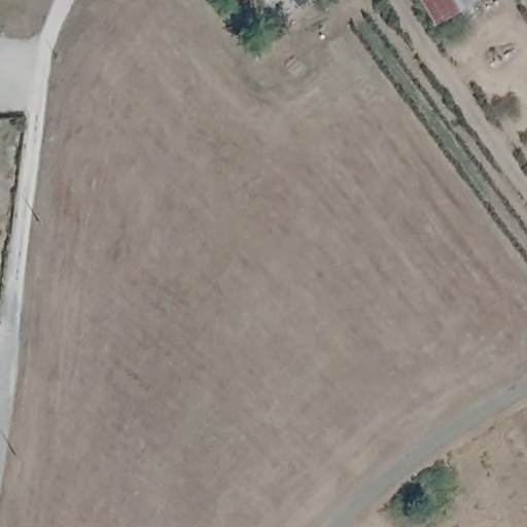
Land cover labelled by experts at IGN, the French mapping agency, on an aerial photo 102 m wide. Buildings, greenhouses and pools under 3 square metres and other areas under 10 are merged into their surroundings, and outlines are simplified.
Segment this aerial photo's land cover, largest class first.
<instances>
[{"label":"agricultural land","instance_id":"1","mask_svg":"<svg viewBox=\"0 0 527 527\"><path fill-rule=\"evenodd\" d=\"M212 0H74L51 51L45 119L25 272L23 311L19 329V371L14 385L10 434L4 436L0 432V527H327L368 484H373L393 463L403 459V455L418 443L428 438L432 432H438L453 420L461 418L463 414L471 412L473 408L486 403L488 399L504 393L511 385L523 383L527 379V264L515 251L511 241L502 235V231L494 224V220L488 216L486 208L467 187V183L459 177L455 167L447 161V156L441 152L436 142L428 136L426 128L412 113L408 103L397 95L387 76L373 62L371 54L358 41V37L350 31L348 35L338 37L329 43V66L309 80L313 86L305 91V95L286 101L280 111H270L266 105L253 103V99L247 95L245 84L235 74L233 58H229L222 51V47L216 45V39H210L208 21L218 14L210 4ZM486 196V202L494 206V210L508 226V231L527 249V237L523 235L519 224L508 216L500 200L494 196V189L488 185L482 191ZM350 527H393L391 519L389 513H368L360 523H354Z\"/></svg>","mask_w":527,"mask_h":527},{"label":"herbaceous vegetation","instance_id":"2","mask_svg":"<svg viewBox=\"0 0 527 527\"><path fill-rule=\"evenodd\" d=\"M54 0H0V43L4 39L25 41L37 37L43 31ZM264 2V0H239V12L233 14L229 21H224L218 14L208 21L210 39H216V45L222 47V51L229 58H233L235 74L245 84L247 95L253 99V103L266 105L270 111H280L286 101L305 95V91L313 86L309 80L329 66V43L338 37L348 35L350 31L348 21L358 23L362 21V10L368 12L375 25L387 35L391 45L399 51L412 74L434 99L438 111L451 121L455 119V115L443 103L441 95L432 89V84L416 66L408 45L375 10L373 0H307L298 6L303 10L301 19H286L284 35L278 41L266 47L261 54L247 51L237 39V33L241 29L257 27L259 21L255 6H261ZM465 14L469 16L471 33L461 43L447 47L459 62L476 74L473 82L480 84L486 97H502L506 93H513L519 99V117H504L498 130V134L511 150L521 148V152L527 156V0H478L476 6H469ZM27 124L23 128H14L10 119L0 121V272L4 270L6 259L14 218L8 212V200L14 177V148L19 140L25 142ZM457 134L465 140L471 154L482 163L486 173L492 177V181L500 187V191L508 198L513 208L521 214V218L527 224V198L502 171L494 173V167L478 150V146L465 134L463 128H457ZM436 461H441L445 467H455V500L449 506L441 508L436 515H430L424 523H412L401 513L399 517L391 519L393 527H527V395L517 403L508 406L506 410L484 418L478 426L465 430L416 467L399 473L391 482V486L371 504L368 513H385L383 504H387L393 498V494L399 492L401 486L412 482L422 469L434 465Z\"/></svg>","mask_w":527,"mask_h":527},{"label":"brushwood","instance_id":"3","mask_svg":"<svg viewBox=\"0 0 527 527\"><path fill-rule=\"evenodd\" d=\"M375 10L408 45L416 66L432 84V89L441 95L443 103L455 115V119L451 121L438 111L434 99L412 74L399 51L391 45L387 35L375 25L368 12L362 10V21L358 23L348 21L350 31L358 37V41L371 54L373 62L387 76L397 95L408 103L412 113L426 128L428 136L436 142L441 152L447 156V161L455 167L459 177L467 183V187L486 208L488 216L494 220V224L502 231V235L511 241L515 251L527 264V249L508 231V226L494 210V206L486 202V196L482 191L488 185L494 189V196L500 200L508 216L519 224L523 235L527 237V224L521 218V214L513 208L508 198L500 191V187L492 181V177L486 173L482 163L471 154L465 140L457 134V128H463L465 134L478 146V150L494 167V173L502 171L490 148L482 142L480 134L463 117L461 107L455 103L449 89L438 82L434 72L424 64L422 56L416 51L410 33L401 29L399 16L395 14L389 0H373ZM414 16L422 23L426 35L434 41L445 62H449L453 68H457L459 62L447 47L461 43L471 33L469 16L465 14L459 12L457 16H451L434 25L430 14L422 8L420 0H410ZM471 97L484 111L486 119L498 130L504 117H519V99L513 93H506L502 97H486L480 84L473 82H469ZM10 119L14 128H23L27 124L23 111L0 109V121ZM25 142L19 140L14 148V177L8 200V212L14 218ZM438 471V467L434 465L422 469L412 482L401 486L399 492L393 494V498L387 504H383L385 513H389L391 519L399 517L401 513L403 502H414L416 496L422 494V478L426 473Z\"/></svg>","mask_w":527,"mask_h":527},{"label":"pervious surface","instance_id":"4","mask_svg":"<svg viewBox=\"0 0 527 527\"><path fill-rule=\"evenodd\" d=\"M74 0H54L43 31L37 37L25 41L4 39L0 43V109L23 111L27 124L25 142L14 218L6 259L16 270L25 272L45 119L51 51ZM264 2L268 6L280 2L286 19H301L303 10L298 6L307 0H264ZM395 14L399 16L401 29L410 33L416 51L422 56L424 64L434 72L438 82L449 89L455 103L461 107L463 117L480 134L482 142L490 148L502 171L527 198V156L521 152V148L511 150L498 134V130L486 119L484 111L471 97L469 82H473L476 74L459 62L457 68H453L449 62H445L434 41L426 35L422 23L414 16L410 0H389Z\"/></svg>","mask_w":527,"mask_h":527},{"label":"impervious surface","instance_id":"5","mask_svg":"<svg viewBox=\"0 0 527 527\"><path fill-rule=\"evenodd\" d=\"M25 272L16 270L6 259L4 270L0 272V432L4 436L10 434L14 385L19 371V329L23 311ZM527 395V379L523 383L511 385L504 393L488 399L486 403L473 408L471 412L463 414L461 418L453 420L438 432H432L428 438L418 443L403 455V459L393 463L373 484H368L327 527H350L354 523H360L368 513L371 504L391 486V482L399 473L416 467L465 430L478 426L484 418L506 410L508 406L517 403Z\"/></svg>","mask_w":527,"mask_h":527},{"label":"deciduous trees","instance_id":"6","mask_svg":"<svg viewBox=\"0 0 527 527\"><path fill-rule=\"evenodd\" d=\"M210 4L218 14L224 21H229L233 14L239 12V0H212ZM259 21L257 27L241 29L237 33V39L247 51L261 54L266 47L278 41L284 35L286 19L280 2L268 6L264 2L261 6H255ZM434 465L438 467V471L426 473L422 478V494L416 496L414 502H403L401 513L412 523H424L430 515H436L441 508L449 506L455 500V467H445L441 461H436Z\"/></svg>","mask_w":527,"mask_h":527},{"label":"building","instance_id":"7","mask_svg":"<svg viewBox=\"0 0 527 527\"><path fill-rule=\"evenodd\" d=\"M422 8L430 14L434 25L451 16H457L459 12L465 14L469 6H476L478 0H420Z\"/></svg>","mask_w":527,"mask_h":527}]
</instances>
